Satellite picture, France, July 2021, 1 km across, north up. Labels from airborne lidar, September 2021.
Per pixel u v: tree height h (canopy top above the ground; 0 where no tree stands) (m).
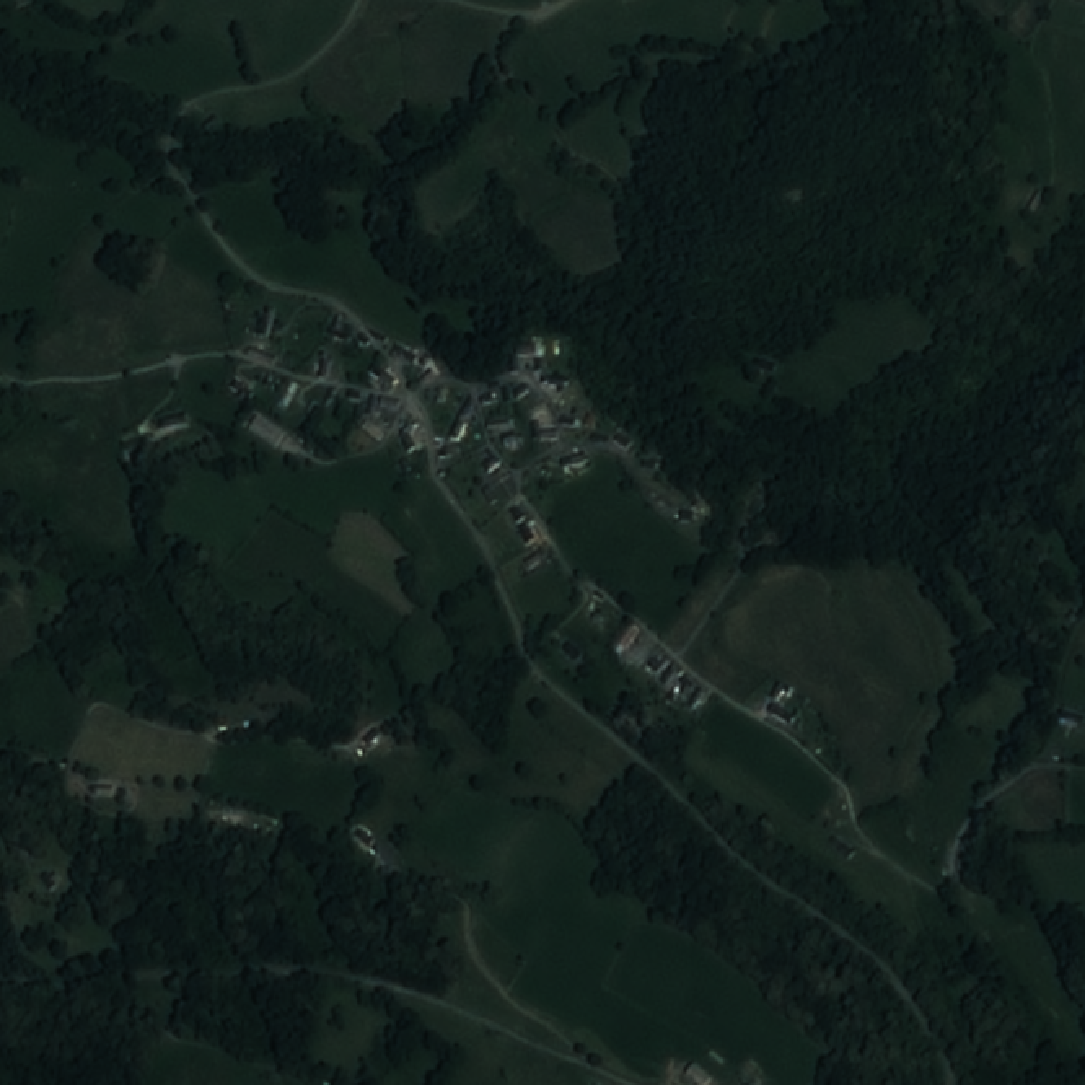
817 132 15
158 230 0
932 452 11
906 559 19
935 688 0
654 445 14
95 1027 25
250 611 17
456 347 34
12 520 30
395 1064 11
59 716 0
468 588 10
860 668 0
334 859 13
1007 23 14
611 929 0
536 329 7
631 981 0
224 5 0
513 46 16
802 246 7
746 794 0
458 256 13
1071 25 0
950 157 20
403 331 0
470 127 15
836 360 0
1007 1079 13
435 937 17
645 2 0
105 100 18
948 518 12
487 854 0
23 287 0
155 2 20
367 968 21
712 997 0
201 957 19
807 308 17
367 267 0
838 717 0
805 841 0
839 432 17
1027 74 0
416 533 0
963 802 0
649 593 0
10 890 19
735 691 0
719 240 15
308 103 9
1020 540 25
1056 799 0
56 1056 21
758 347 11
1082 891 0
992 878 24
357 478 0
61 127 16
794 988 22
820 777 0
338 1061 0
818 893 17
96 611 20
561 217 0
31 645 0
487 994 0
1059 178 0
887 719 0
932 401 7
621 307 25
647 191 22
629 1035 0
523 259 11
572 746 0
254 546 0
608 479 0
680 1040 0
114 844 11
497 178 10
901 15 11
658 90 14
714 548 17
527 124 0
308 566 0
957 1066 16
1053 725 21
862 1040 19
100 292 0
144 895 24
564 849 0
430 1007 0
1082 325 17
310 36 0
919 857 0
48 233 0
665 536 0
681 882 19
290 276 0
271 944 27
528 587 0
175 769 0
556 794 0
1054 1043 12
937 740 17
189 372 0
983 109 19
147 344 0
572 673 11
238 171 26
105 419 0
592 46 0
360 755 0
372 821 0
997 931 0
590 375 12
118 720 0
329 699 7
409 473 6
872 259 19
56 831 13
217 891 22
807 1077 0
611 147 0
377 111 0
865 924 19
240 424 9
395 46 0
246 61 17
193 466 16
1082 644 0
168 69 0
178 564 14
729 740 0
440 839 0
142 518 26
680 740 15
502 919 0
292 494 0
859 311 0
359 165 28
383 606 0
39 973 20
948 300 9
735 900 27
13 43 19
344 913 25
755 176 15
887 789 0
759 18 0
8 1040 23
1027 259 0
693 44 16
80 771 12
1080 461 25
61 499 0
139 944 19
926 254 18
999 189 10
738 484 18
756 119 9
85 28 12
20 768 29
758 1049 0
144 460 22
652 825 18
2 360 0
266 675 12
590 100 16
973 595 9
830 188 15
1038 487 21
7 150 0
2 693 0
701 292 18
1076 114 0
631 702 25
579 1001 0
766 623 0
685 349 24
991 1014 22
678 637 0
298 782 0
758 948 25
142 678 16
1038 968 0
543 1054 0
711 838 21
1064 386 25
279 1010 24
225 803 8
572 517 0
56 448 0
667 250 16
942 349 18
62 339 0
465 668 13
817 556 25
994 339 10
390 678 0
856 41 21
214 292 0
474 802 0
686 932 15
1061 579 10
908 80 11
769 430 22
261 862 15
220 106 0
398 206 23
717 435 21
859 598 0
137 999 16
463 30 0
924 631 0
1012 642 21
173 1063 0
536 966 0
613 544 0
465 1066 7
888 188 10
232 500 0
